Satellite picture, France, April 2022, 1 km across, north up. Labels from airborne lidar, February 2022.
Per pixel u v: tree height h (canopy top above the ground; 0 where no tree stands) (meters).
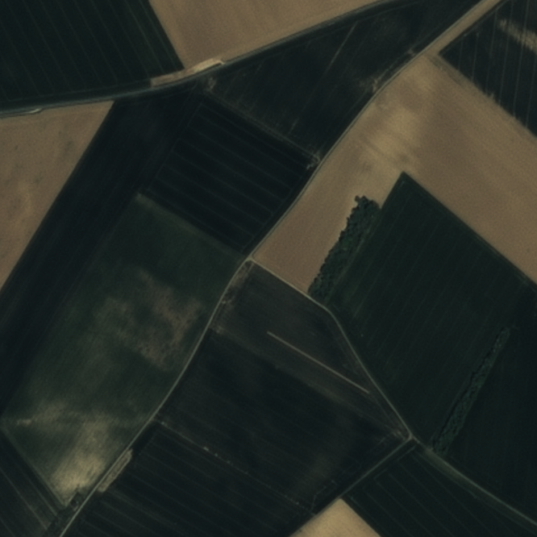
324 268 9
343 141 0
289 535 0
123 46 0
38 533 0
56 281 0
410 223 0
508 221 0
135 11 0
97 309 0
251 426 0
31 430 0
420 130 0
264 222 0
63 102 0
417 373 0
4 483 0
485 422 0
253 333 0
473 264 0
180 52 0
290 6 0
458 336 0
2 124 0
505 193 0
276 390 0
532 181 0
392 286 0
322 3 0
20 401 0
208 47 0
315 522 0
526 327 0
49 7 0
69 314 0
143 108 0
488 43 0
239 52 0
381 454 0
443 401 0
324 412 0
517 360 0
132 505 0
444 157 0
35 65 0
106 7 0
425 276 0
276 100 0
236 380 0
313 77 0
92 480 0
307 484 0
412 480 0
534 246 0
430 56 0
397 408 0
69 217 0
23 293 0
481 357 0
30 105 0
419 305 0
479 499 0
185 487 0
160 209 0
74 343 0
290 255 0
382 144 0
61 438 0
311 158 0
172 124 0
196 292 0
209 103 0
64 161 0
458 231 0
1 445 0
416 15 0
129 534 0
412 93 0
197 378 0
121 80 0
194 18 0
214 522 0
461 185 0
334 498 0
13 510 0
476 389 9
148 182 0
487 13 0
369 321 0
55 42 0
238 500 0
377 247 0
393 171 0
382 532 0
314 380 0
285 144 0
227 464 0
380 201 0
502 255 0
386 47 0
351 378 0
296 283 0
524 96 0
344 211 0
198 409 0
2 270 0
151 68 0
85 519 0
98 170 0
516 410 0
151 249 0
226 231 0
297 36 0
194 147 0
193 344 0
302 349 0
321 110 0
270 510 0
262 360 0
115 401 0
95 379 0
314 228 0
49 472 0
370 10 0
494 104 0
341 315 0
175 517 0
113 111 0
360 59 0
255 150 0
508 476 0
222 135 0
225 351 0
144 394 0
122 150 0
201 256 0
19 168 0
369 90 0
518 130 0
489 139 0
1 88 0
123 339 0
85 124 0
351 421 0
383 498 0
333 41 0
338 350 0
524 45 0
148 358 0
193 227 0
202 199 0
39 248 0
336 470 0
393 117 0
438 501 0
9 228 0
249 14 0
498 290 0
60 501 0
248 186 0
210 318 0
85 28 0
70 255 0
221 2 0
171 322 0
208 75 0
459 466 0
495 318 0
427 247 0
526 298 0
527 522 0
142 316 0
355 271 0
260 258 0
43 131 0
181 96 0
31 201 0
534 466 0
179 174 0
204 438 0
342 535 0
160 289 0
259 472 0
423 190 0
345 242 16
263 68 0
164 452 0
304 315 0
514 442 0
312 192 0
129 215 0
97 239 0
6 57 0
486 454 0
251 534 0
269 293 0
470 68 0
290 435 0
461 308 0
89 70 0
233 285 0
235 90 0
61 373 0
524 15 0
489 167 0
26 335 0
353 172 0
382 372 0
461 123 0
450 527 0
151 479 0
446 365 0
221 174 0
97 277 0
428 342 0
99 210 0
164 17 0
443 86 0
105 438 0
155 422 0
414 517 0
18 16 0
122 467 0
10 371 0
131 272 0
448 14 0
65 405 0
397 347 0
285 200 0
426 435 0
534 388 0
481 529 0
